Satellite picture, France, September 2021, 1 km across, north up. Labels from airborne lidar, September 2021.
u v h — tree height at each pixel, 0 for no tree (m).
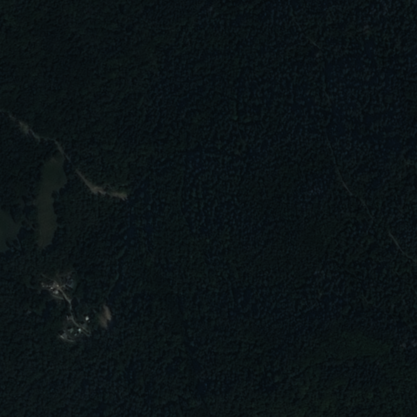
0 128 24
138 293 23
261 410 24
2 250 0
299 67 21
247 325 28
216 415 27
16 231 0
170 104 25
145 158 17
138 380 24
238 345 8
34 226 20
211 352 22
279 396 23
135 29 23
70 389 19
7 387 27
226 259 18
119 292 20
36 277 16
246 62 21
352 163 34
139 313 24
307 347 18
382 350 26
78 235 26
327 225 22
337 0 23
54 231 0
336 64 18
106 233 23
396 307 16
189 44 15
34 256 22
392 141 14
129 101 24
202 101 36
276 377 27
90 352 34
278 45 20
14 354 28
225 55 23
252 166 23
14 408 25
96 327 24
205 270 22
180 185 27
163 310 11
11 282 19
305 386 32
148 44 26
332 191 17
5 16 26
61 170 0
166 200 33
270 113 36
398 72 23
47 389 17
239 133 14
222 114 32
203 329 23
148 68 19
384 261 32
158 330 26
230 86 22
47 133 31
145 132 8
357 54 22
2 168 29
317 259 21
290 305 28
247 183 21
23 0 20
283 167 24
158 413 19
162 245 28
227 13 19
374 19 24
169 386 26
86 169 16
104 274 21
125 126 21
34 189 25
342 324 20
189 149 23
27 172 25
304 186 32
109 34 31
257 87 18
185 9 21
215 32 31
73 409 20
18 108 29
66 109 29
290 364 23
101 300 26
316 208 22
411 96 26
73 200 19
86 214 24
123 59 26
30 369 23
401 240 27
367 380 30
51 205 0
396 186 19
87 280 30
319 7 15
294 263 20
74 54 20
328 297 17
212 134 23
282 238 25
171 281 17
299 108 12
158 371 23
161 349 22
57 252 21
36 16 28
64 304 6
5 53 25
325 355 29
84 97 30
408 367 15
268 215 25
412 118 24
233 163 29
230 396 25
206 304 25
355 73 20
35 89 26
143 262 26
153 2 23
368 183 12
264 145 22
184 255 22
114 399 23
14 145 27
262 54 21
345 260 36
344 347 26
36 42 24
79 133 20
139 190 16
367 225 8
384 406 20
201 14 25
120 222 18
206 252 13
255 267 25
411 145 21
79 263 22
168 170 31
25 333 22
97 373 21
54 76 21
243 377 25
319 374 27
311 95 24
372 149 17
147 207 29
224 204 6
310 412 12
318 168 22
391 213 23
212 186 13
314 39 13
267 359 25
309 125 21
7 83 26
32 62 23
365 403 21
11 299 26
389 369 21
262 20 23
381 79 41
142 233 26
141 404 22
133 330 21
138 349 25
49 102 29
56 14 33
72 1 23
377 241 27
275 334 29
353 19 30
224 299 21
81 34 31
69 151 17
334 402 14
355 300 35
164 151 25
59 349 23
